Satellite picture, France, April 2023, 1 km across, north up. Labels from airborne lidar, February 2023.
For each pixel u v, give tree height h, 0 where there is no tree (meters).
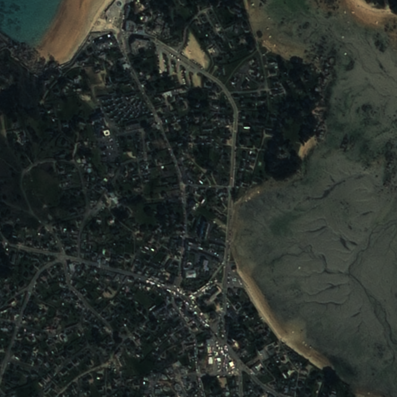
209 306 0
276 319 0
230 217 0
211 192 8
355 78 0
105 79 0
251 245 0
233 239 0
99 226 8
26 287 0
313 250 0
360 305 0
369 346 0
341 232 0
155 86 9
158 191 0
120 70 10
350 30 0
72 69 0
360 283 0
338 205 0
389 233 0
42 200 0
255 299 0
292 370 0
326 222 0
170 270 8
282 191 0
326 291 0
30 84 18
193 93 8
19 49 0
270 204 0
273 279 0
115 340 15
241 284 0
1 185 7
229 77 0
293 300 0
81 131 8
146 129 21
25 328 0
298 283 0
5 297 7
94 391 0
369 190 0
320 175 0
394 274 0
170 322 11
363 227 0
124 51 0
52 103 0
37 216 0
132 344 12
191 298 0
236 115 0
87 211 0
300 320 0
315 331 0
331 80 0
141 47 0
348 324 0
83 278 6
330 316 0
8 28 0
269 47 0
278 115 19
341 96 0
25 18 0
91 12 0
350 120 0
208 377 12
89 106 0
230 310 0
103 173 0
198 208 0
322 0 0
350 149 0
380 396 0
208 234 0
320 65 0
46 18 0
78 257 0
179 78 0
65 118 0
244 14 16
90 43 0
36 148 0
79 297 0
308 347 0
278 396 0
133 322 11
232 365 0
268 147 16
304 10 0
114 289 10
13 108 17
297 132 0
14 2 0
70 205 13
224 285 0
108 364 0
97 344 7
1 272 21
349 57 0
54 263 0
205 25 8
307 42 0
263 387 0
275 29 0
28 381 9
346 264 0
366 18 0
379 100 0
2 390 0
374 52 0
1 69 0
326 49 0
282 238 0
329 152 0
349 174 0
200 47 0
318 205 0
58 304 0
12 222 0
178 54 0
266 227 0
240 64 0
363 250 0
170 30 7
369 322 0
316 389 0
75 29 0
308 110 23
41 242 9
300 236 0
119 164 21
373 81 0
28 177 0
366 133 0
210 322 0
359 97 0
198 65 0
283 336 0
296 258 0
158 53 0
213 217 0
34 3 0
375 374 0
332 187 0
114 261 6
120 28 0
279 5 0
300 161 13
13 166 0
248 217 0
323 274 0
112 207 0
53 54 0
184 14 0
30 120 0
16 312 0
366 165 0
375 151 0
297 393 12
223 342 0
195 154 12
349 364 0
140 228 7
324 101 0
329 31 0
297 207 0
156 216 12
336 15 0
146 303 0
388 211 0
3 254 22
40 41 0
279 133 18
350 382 0
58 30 0
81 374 0
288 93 18
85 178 6
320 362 0
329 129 0
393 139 0
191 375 0
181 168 0
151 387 0
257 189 0
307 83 0
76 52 0
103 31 0
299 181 0
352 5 0
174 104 6
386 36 0
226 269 0
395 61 0
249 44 20
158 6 10
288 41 0
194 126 15
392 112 0
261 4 0
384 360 0
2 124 0
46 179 0
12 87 11
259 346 8
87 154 7
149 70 10
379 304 0
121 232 0
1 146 0
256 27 0
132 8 7
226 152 0
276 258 0
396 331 0
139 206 0
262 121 9
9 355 0
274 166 22
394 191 0
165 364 9
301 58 0
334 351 0
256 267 0
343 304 0
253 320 0
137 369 0
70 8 0
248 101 0
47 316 7
